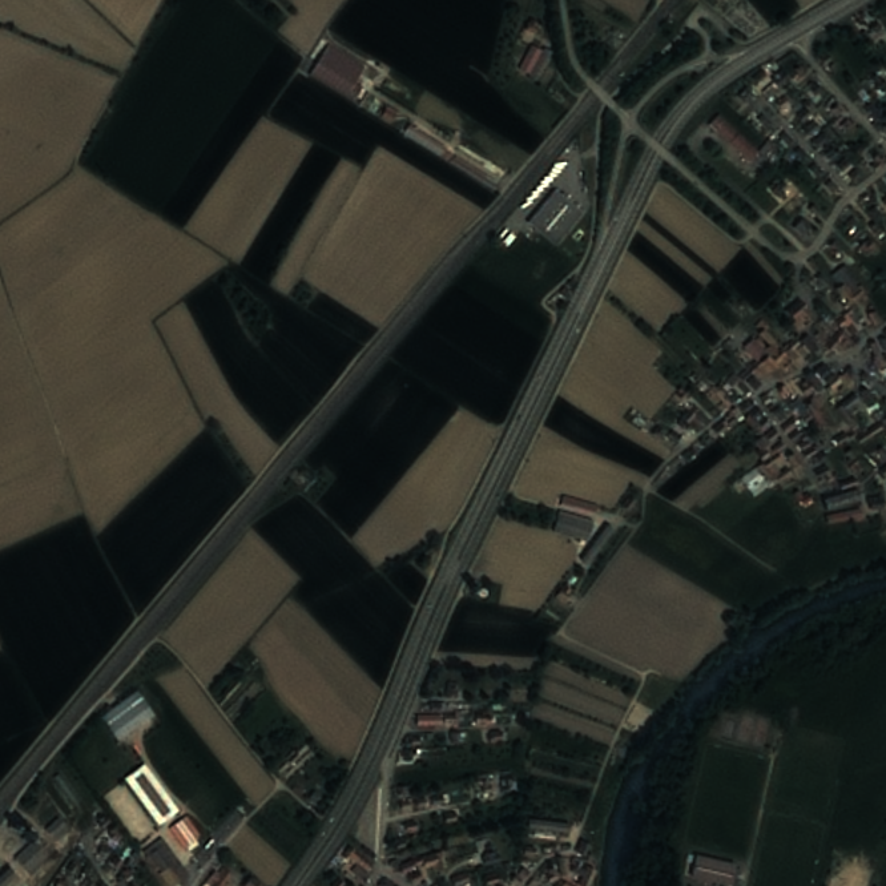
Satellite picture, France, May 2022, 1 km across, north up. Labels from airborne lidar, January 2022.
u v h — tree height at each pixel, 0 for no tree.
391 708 0
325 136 0
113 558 0
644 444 0
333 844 0
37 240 0
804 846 0
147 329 0
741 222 0
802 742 0
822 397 0
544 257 0
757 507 0
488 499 0
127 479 0
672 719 16
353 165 0
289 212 0
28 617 0
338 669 0
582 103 0
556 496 0
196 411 0
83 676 0
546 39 0
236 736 0
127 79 0
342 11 0
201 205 0
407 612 0
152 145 0
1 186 0
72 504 0
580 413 0
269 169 0
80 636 0
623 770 8
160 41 0
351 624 0
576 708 0
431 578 0
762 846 0
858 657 10
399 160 0
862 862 0
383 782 0
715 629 0
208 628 0
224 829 0
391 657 0
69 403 0
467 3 0
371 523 0
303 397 0
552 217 0
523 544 0
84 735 10
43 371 0
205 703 0
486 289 0
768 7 0
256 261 0
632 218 0
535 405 0
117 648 0
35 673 0
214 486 0
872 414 0
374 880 0
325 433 0
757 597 0
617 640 0
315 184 0
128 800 0
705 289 0
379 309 0
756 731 0
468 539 0
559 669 0
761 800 0
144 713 0
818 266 0
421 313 0
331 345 0
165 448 0
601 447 0
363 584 0
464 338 0
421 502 0
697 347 0
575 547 0
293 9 8
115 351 0
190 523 0
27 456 0
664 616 0
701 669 6
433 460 0
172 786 0
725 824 0
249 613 0
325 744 0
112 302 0
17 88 0
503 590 0
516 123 0
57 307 0
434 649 0
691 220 0
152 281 0
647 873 23
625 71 0
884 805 0
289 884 0
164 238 0
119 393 0
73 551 0
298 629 0
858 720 0
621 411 0
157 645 0
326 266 0
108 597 0
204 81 0
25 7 0
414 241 0
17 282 0
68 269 0
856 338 7
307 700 0
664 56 12
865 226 0
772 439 0
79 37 0
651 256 0
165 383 0
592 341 0
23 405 0
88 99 0
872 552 0
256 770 0
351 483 0
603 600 0
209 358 0
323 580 0
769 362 0
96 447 0
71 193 0
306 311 0
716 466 0
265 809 0
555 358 0
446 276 0
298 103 0
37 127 0
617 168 0
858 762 0
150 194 0
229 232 0
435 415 0
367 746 0
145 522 0
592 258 0
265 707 0
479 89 0
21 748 0
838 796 0
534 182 0
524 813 12
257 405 0
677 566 0
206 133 0
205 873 0
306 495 0
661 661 0
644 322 10
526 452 0
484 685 0
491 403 0
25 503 0
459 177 0
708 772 0
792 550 0
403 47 0
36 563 0
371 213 0
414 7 0
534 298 0
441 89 0
